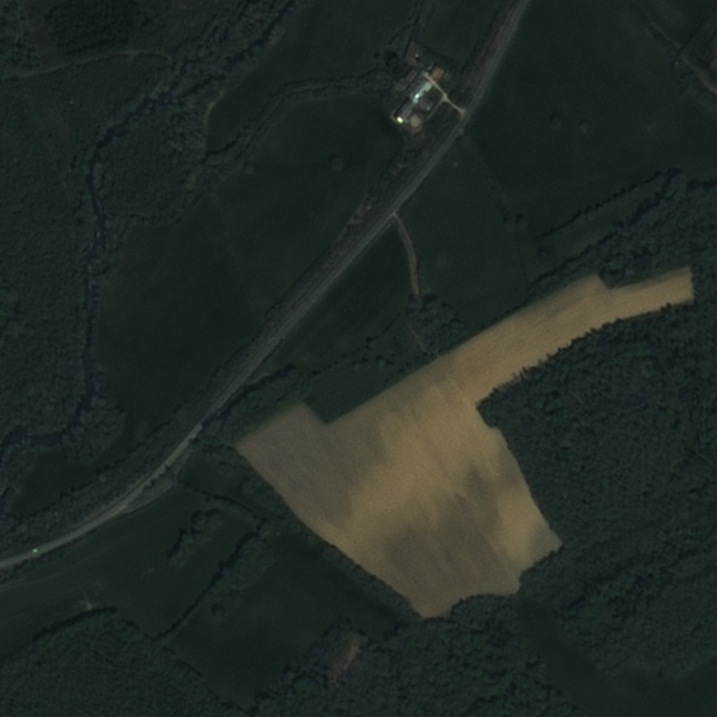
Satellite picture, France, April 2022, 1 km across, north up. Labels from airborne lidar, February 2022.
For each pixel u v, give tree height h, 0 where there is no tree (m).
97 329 12
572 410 30
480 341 0
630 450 27
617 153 0
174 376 0
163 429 8
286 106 5
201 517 11
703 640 24
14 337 22
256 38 15
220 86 6
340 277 0
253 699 0
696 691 0
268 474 0
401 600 20
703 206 28
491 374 0
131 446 0
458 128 0
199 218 0
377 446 0
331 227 0
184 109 13
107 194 12
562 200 0
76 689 20
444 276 0
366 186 0
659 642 21
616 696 0
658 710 0
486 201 0
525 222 13
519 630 16
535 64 0
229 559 0
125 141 16
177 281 0
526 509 0
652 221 24
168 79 14
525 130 0
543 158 0
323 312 0
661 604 22
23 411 20
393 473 0
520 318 0
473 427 0
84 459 18
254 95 0
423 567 0
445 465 0
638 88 0
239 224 0
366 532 0
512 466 0
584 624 22
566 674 0
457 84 0
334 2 0
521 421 31
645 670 0
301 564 0
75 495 13
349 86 7
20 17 30
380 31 0
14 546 12
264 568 23
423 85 0
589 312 0
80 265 9
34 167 11
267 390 19
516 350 0
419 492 0
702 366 27
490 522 0
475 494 0
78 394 12
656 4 0
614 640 20
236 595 16
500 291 0
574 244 0
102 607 0
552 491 24
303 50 0
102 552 0
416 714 28
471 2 0
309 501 0
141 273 0
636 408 26
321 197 0
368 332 0
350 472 0
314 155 0
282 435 0
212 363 0
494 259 0
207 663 0
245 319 0
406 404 0
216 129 0
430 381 0
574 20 0
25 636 0
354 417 0
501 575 0
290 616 0
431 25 0
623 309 0
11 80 27
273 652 0
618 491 28
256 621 0
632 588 24
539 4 0
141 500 0
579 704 0
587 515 25
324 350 0
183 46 9
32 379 13
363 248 0
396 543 0
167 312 0
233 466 16
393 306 0
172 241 0
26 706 17
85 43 0
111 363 0
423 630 23
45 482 0
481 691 26
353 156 0
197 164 20
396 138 0
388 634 0
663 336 19
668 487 26
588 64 0
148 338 0
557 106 0
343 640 21
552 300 0
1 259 24
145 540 0
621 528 20
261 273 0
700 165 0
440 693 27
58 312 11
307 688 26
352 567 18
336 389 0
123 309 0
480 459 0
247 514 15
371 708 20
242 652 0
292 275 0
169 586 0
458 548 0
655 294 0
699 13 0
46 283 13
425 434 0
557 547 0
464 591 0
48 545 0
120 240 14
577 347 15
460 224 0
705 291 23
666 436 28
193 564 0
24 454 16
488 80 0
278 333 0
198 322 0
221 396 0
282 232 0
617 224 0
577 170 0
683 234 23
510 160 0
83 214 16
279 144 0
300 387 20
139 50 0
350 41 0
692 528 15
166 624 0
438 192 0
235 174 0
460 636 17
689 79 8
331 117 0
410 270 0
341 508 0
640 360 30
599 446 24
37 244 12
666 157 0
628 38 0
